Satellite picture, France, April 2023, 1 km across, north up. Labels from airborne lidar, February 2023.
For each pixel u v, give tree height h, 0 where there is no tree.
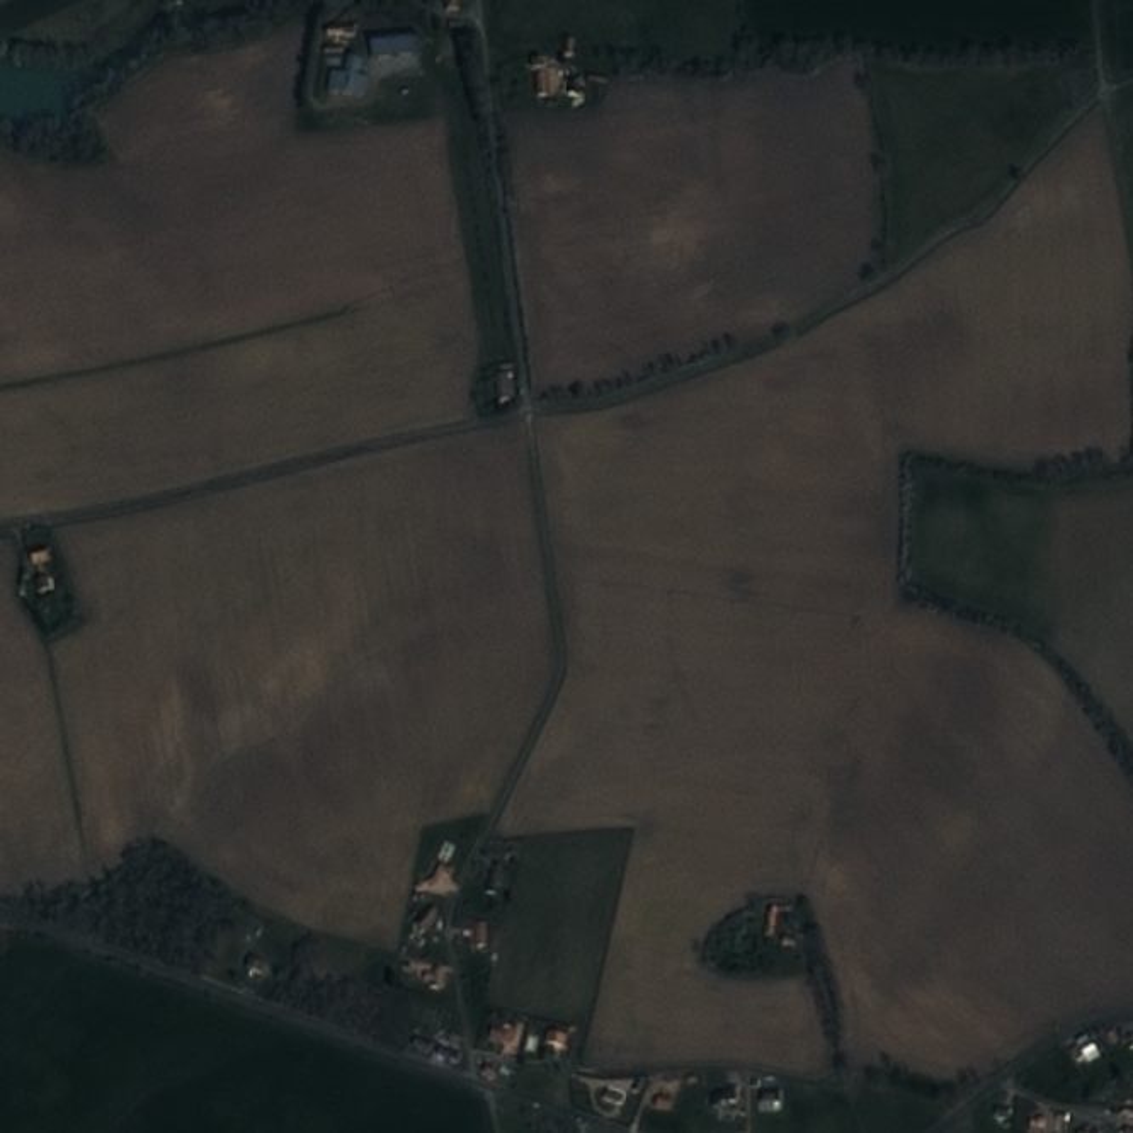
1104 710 12
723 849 0
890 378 0
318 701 0
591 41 0
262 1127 0
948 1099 17
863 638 0
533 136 0
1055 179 0
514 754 0
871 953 0
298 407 0
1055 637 0
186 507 0
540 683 0
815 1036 0
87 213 0
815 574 0
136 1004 0
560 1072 12
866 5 0
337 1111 0
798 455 0
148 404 0
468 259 0
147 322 0
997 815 0
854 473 0
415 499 0
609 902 0
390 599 0
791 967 0
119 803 0
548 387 0
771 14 0
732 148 0
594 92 0
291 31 0
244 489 0
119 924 14
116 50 0
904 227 0
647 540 0
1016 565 0
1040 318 0
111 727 0
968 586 0
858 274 0
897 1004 0
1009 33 0
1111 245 0
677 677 0
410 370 0
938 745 0
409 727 0
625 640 0
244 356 0
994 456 0
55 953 0
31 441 0
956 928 0
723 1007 0
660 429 0
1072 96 0
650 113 0
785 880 0
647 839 0
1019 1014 0
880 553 0
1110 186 0
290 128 0
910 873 0
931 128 0
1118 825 0
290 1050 0
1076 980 0
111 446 0
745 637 0
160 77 0
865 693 0
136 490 0
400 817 0
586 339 0
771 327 0
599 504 0
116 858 0
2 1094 0
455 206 0
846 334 0
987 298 0
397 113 0
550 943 0
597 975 0
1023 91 0
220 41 18
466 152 0
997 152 0
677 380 0
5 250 0
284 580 0
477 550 0
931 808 0
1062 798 0
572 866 0
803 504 0
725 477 0
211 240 0
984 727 0
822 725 0
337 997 11
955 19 0
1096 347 0
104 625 0
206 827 0
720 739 0
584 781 0
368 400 0
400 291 0
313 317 0
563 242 0
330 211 0
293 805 0
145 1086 0
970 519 0
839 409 0
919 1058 0
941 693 0
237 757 0
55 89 0
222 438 0
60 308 0
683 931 0
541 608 0
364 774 0
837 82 0
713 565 0
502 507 0
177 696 0
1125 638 0
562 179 0
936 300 0
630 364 0
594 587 0
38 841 0
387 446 0
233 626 0
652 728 0
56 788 0
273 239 0
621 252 0
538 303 0
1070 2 0
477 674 0
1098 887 0
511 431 0
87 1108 0
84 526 0
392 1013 0
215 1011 0
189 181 0
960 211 0
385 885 0
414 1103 0
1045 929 0
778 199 0
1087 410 0
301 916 0
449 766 0
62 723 0
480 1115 0
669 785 0
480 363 0
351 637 0
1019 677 0
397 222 0
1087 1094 10
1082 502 0
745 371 0
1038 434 0
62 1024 0
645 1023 0
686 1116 0
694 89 0
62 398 0
